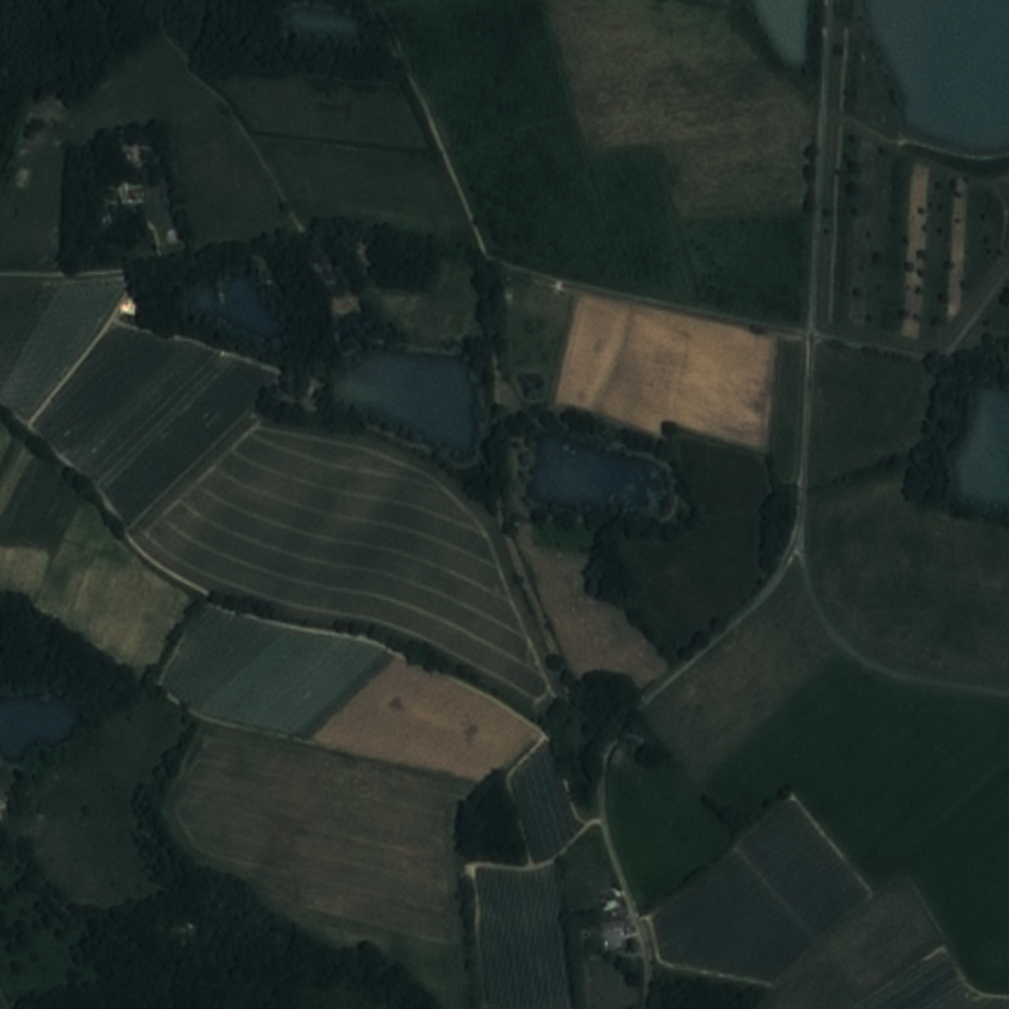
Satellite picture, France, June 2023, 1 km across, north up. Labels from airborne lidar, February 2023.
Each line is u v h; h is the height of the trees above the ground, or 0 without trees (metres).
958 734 0
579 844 6
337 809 0
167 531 0
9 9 24
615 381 0
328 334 23
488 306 17
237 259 19
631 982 13
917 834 0
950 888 0
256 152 0
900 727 0
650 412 0
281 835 0
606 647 0
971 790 0
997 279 0
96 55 25
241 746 0
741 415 0
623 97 0
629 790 0
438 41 6
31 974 0
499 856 19
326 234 20
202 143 0
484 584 0
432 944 0
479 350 17
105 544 0
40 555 0
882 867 0
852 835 0
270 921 7
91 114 0
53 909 12
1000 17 0
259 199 0
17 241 0
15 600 21
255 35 24
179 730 0
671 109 0
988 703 0
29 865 9
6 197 0
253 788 0
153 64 0
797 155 0
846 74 0
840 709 0
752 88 0
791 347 0
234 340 16
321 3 13
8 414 17
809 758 0
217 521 0
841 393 0
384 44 19
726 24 0
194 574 0
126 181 17
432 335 0
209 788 0
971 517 14
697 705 0
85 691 24
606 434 19
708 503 0
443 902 0
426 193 0
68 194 15
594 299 0
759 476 0
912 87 0
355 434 14
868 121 0
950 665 0
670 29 0
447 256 14
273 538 0
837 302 0
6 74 21
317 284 27
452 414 0
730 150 0
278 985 20
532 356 0
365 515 0
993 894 0
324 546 0
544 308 0
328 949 12
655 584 0
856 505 0
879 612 0
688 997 15
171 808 0
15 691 22
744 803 0
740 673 0
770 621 0
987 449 0
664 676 0
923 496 18
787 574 0
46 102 20
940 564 0
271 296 18
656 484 0
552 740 7
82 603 0
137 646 0
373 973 21
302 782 0
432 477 0
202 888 10
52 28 20
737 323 0
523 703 0
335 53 24
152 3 13
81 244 13
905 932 0
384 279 20
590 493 0
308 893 0
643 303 0
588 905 0
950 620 0
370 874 0
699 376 0
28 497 0
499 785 18
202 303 0
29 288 0
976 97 0
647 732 6
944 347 0
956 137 0
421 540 0
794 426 0
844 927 0
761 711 0
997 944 0
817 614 0
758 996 11
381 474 0
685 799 0
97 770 0
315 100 0
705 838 0
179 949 8
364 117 0
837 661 0
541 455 0
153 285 25
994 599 0
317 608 0
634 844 0
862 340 0
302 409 17
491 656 0
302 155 0
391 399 0
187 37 12
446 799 0
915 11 0
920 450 12
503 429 15
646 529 22
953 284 0
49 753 9
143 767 0
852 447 0
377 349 14
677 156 0
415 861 0
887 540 0
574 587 0
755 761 0
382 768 0
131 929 20
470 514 0
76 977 10
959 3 0
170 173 17
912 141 0
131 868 0
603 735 15
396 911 0
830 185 0
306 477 0
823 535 0
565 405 0
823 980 0
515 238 7
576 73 0
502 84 8
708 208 0
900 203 0
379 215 0
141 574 0
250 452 0
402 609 0
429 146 7
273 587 0
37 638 24
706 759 0
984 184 0
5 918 10
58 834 0
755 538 0
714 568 0
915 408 0
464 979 0
